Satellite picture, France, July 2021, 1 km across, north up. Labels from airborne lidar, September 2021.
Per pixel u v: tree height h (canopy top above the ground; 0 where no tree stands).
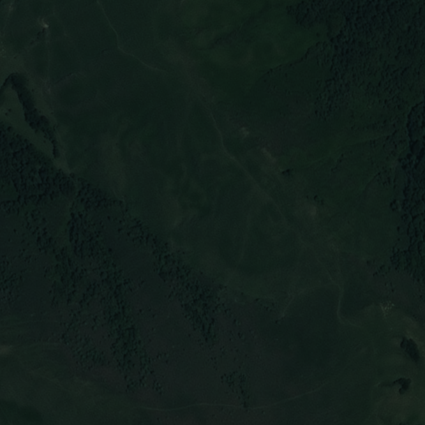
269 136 0
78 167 0
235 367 0
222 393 0
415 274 9
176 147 0
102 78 0
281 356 0
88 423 0
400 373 0
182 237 0
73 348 6
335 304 0
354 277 0
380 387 0
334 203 0
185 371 0
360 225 0
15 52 0
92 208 15
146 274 0
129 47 0
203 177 0
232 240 0
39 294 0
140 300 0
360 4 16
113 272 9
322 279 0
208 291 10
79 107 0
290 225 0
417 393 0
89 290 11
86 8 0
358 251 0
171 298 9
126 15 0
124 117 0
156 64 0
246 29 0
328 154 0
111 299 10
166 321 0
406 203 13
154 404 0
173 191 0
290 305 0
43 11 0
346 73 11
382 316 0
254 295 0
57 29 0
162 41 0
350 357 0
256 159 0
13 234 0
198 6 0
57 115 0
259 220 0
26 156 23
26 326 0
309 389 0
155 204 0
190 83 0
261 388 0
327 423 0
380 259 0
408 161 15
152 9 0
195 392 0
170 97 0
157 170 0
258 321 0
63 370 0
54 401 0
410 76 20
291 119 0
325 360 0
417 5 10
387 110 9
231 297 0
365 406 0
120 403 0
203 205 0
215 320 13
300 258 0
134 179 0
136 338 11
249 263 0
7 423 0
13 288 9
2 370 0
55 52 0
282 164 0
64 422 0
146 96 0
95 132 0
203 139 0
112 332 6
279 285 0
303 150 0
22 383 0
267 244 0
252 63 0
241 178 0
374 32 12
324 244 0
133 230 9
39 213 7
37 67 0
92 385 0
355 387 0
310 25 12
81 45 0
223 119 0
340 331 0
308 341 0
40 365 0
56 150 15
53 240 15
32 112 17
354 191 0
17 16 0
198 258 0
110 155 0
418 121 9
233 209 0
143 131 0
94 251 17
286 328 0
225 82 0
